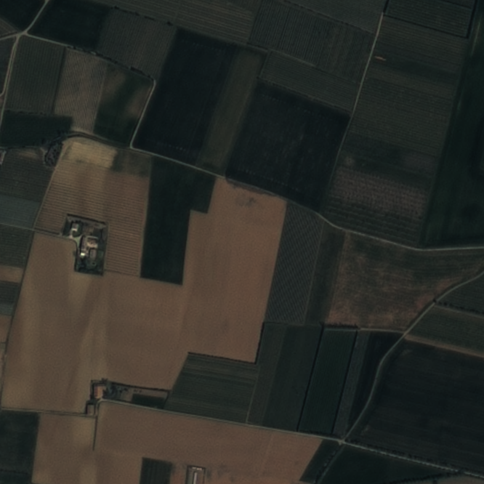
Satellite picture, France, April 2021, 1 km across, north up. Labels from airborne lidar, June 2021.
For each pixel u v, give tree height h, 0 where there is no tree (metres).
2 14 0
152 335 0
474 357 0
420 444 0
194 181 0
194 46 0
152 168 0
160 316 0
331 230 0
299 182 0
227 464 0
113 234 0
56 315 0
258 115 0
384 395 0
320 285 0
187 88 0
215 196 0
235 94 0
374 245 0
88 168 0
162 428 0
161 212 0
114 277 0
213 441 0
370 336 0
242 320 0
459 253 0
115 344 0
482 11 0
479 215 0
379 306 0
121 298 0
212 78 0
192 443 0
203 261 0
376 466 0
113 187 0
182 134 0
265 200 0
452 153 0
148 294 0
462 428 0
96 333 0
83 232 0
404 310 0
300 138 0
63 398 0
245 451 0
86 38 0
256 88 0
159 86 0
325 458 0
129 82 0
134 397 0
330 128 0
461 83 0
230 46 0
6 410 0
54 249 0
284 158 0
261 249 0
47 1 0
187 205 0
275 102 0
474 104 0
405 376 0
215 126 0
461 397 0
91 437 0
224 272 0
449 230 0
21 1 0
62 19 0
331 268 0
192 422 0
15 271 0
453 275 0
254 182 0
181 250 0
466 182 0
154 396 0
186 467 0
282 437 0
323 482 0
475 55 0
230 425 0
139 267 0
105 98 0
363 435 0
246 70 0
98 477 0
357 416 0
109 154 0
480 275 0
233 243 0
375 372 0
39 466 0
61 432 0
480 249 0
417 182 0
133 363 0
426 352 0
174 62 0
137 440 0
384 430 0
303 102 0
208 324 0
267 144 0
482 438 0
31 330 0
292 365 0
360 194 6
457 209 0
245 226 0
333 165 0
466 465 0
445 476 10
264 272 0
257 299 0
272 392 0
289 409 0
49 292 0
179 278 0
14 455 0
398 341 0
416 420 0
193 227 0
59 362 0
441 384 0
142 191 0
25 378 0
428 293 0
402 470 0
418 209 6
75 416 0
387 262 0
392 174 0
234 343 0
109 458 0
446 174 0
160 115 0
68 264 0
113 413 0
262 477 0
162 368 0
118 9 11
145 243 0
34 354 0
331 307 0
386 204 7
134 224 0
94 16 0
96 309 0
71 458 0
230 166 0
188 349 0
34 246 0
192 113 0
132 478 0
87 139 0
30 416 0
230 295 0
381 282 0
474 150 0
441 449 0
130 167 0
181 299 0
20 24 0
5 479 0
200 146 0
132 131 0
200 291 0
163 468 0
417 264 0
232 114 0
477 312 14
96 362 0
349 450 0
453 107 0
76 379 0
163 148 0
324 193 0
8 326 0
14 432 0
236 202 0
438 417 0
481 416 0
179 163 0
